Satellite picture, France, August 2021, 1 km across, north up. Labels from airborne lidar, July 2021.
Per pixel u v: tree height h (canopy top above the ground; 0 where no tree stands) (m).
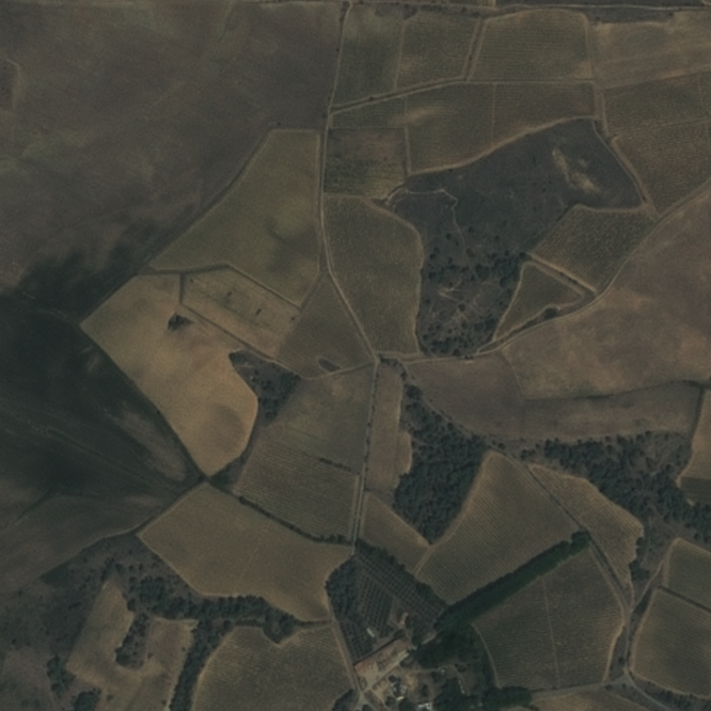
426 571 0
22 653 0
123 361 0
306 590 0
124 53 0
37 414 0
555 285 0
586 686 0
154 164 0
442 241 0
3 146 0
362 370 0
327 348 0
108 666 0
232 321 0
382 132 0
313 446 0
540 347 0
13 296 0
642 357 0
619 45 0
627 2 0
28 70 0
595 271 0
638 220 0
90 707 16
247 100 0
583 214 0
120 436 0
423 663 8
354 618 8
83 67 0
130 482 0
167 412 0
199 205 0
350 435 0
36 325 0
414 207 0
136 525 0
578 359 0
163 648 0
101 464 0
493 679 10
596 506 0
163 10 0
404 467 0
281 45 0
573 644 0
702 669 0
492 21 0
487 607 22
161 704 0
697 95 0
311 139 0
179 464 0
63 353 0
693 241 0
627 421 0
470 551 0
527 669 0
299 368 0
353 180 0
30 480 0
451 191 0
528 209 0
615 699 0
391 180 0
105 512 0
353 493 0
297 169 0
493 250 0
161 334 0
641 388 0
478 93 0
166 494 0
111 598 0
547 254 0
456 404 0
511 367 0
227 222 0
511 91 0
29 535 0
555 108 0
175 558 0
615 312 0
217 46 0
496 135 0
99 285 0
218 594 0
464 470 15
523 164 0
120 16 0
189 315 0
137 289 0
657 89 0
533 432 0
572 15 0
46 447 0
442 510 16
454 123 0
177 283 0
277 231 0
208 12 0
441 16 0
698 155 0
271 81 0
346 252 0
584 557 0
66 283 0
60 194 0
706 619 0
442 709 14
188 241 0
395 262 0
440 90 0
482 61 0
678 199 0
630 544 0
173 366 0
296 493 0
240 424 0
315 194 0
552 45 0
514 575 13
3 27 0
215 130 0
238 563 0
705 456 0
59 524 0
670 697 8
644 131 0
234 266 0
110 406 0
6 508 0
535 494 0
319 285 0
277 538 0
